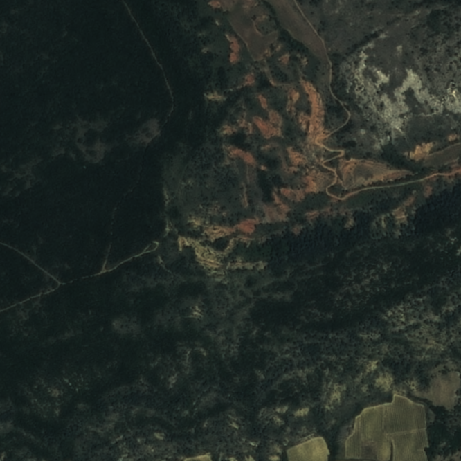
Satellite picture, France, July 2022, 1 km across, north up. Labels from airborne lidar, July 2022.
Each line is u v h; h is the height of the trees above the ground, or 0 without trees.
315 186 0
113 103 6
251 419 8
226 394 8
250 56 0
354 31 0
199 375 6
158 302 9
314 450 0
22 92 6
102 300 8
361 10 0
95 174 7
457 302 7
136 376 9
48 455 7
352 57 0
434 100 0
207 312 8
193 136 11
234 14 0
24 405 7
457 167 0
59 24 7
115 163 7
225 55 0
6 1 5
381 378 0
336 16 0
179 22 8
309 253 10
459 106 0
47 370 7
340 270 6
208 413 5
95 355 5
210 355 6
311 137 0
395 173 0
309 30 0
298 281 6
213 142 8
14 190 6
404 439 0
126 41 6
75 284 9
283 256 7
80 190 6
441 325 6
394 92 0
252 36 0
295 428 6
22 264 6
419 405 0
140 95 6
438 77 0
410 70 0
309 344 8
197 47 7
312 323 6
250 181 0
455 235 7
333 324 9
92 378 6
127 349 6
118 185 6
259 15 0
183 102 7
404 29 0
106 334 6
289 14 0
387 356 6
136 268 7
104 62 6
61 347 7
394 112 0
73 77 7
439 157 0
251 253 0
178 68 7
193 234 6
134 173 7
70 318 6
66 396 6
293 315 6
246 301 8
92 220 6
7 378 6
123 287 6
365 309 8
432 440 8
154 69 6
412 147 0
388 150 6
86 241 6
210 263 0
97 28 6
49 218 6
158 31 10
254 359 8
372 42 0
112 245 6
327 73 0
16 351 7
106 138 7
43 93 7
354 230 16
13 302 7
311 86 0
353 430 0
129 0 6
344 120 5
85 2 5
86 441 6
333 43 0
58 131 6
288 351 7
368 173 0
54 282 6
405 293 8
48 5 6
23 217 6
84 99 7
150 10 7
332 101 6
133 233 7
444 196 12
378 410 0
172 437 12
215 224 0
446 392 0
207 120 8
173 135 6
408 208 0
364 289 6
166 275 10
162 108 6
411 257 6
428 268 7
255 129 0
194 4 9
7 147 7
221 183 7
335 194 0
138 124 6
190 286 7
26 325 7
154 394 8
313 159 0
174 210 7
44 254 6
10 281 6
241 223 0
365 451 0
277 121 0
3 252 6
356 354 9
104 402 10
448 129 0
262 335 6
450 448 9
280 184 7
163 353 7
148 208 7
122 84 6
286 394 5
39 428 6
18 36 6
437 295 7
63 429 8
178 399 10
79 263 6
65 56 6
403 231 12
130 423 7
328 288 8
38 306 6
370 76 0
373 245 7
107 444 8
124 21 6
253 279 7
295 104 0
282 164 0
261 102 0
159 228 6
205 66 8
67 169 6
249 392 8
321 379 6
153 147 6
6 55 6
